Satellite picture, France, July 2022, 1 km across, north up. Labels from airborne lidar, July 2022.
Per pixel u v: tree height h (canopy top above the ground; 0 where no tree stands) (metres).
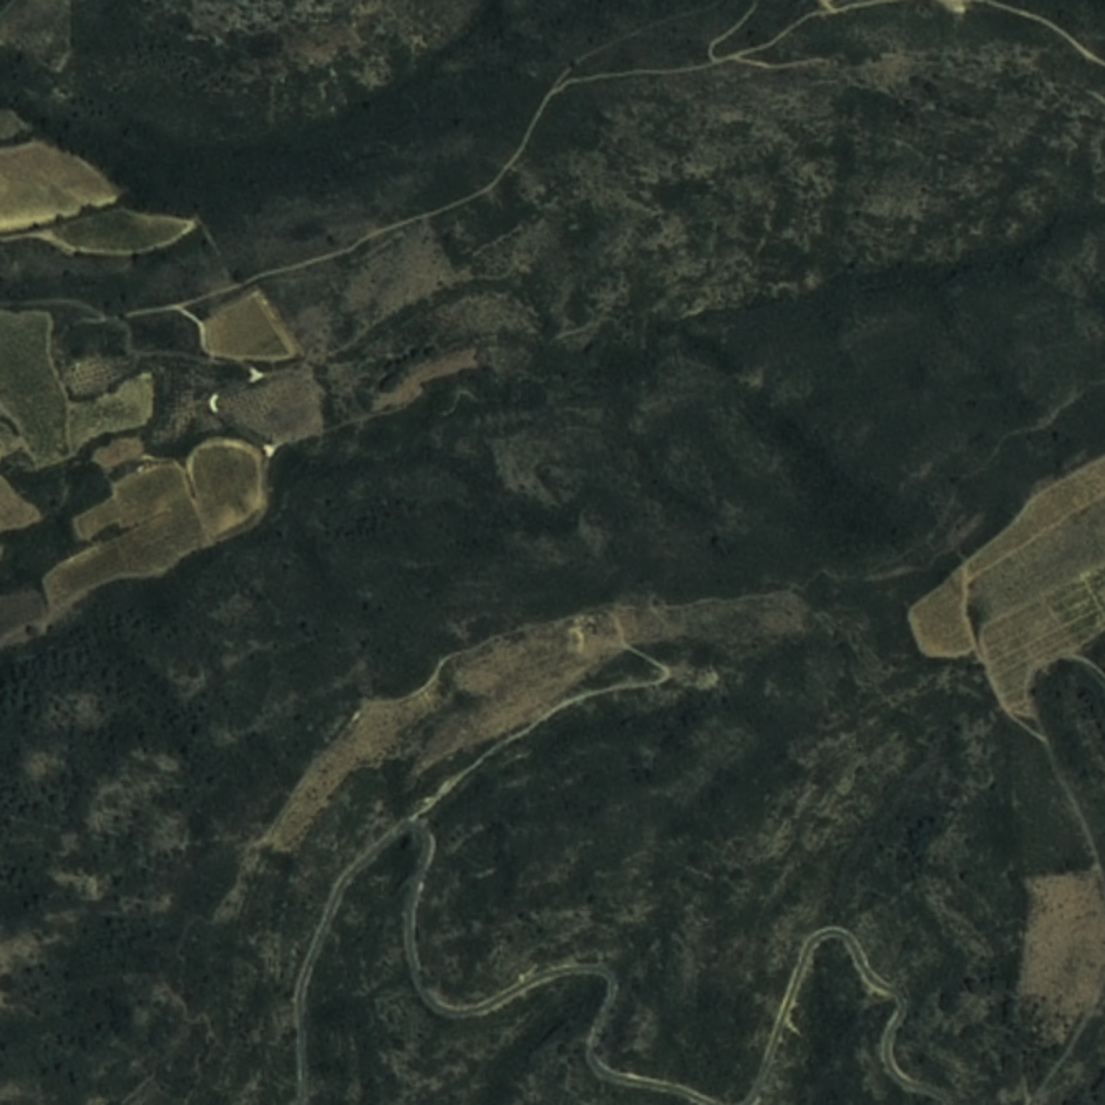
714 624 0
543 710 0
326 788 0
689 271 0
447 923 0
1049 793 0
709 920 0
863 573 0
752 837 0
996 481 0
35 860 7
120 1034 6
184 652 0
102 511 0
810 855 0
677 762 0
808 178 0
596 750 0
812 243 0
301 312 0
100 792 0
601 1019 0
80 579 0
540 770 0
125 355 6
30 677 12
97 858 10
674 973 0
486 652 0
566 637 0
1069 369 0
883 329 0
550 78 0
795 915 0
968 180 0
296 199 0
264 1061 0
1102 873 0
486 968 0
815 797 0
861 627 0
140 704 6
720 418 0
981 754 0
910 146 0
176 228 0
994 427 0
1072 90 0
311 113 0
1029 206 0
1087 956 0
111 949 9
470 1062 0
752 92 0
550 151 0
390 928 0
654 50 0
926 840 10
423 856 0
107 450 0
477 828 0
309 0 0
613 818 0
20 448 0
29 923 0
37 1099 0
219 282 0
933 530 0
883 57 0
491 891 0
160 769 0
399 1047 6
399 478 0
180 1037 0
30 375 0
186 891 0
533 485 0
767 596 0
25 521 0
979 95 0
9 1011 0
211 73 9
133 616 11
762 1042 0
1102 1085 8
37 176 0
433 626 0
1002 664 0
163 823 0
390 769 7
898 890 0
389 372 9
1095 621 0
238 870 0
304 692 0
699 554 0
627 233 0
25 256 0
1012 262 8
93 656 9
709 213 0
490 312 0
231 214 0
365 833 0
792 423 6
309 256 0
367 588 0
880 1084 0
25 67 11
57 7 0
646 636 0
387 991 0
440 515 0
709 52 0
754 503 0
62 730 6
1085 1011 0
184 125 0
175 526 0
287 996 7
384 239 0
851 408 0
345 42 0
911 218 0
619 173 0
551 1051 0
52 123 10
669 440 0
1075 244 0
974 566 0
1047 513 0
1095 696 13
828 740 0
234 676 0
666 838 0
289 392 0
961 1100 0
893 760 0
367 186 0
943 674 0
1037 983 0
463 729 0
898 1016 0
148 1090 0
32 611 0
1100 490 0
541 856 0
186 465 0
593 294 0
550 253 0
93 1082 0
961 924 0
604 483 0
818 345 0
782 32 0
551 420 0
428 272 0
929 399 0
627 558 0
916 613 0
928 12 0
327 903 0
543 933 9
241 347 0
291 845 0
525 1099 0
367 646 10
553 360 0
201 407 0
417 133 0
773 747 0
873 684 0
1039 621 0
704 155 0
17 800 8
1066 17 10
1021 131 0
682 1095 0
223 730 0
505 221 0
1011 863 0
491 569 0
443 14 0
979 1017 0
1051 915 0
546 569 0
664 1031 0
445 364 0
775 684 0
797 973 0
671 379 0
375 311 0
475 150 0
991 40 0
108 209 5
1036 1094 0
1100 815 0
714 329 0
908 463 0
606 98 0
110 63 0
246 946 0
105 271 0
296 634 0
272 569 0
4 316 0
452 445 0
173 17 0
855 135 0
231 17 0
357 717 0
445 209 0
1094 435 0
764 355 0
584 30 0
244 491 0
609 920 0
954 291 0
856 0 0
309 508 0
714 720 0
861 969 0
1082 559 0
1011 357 0
